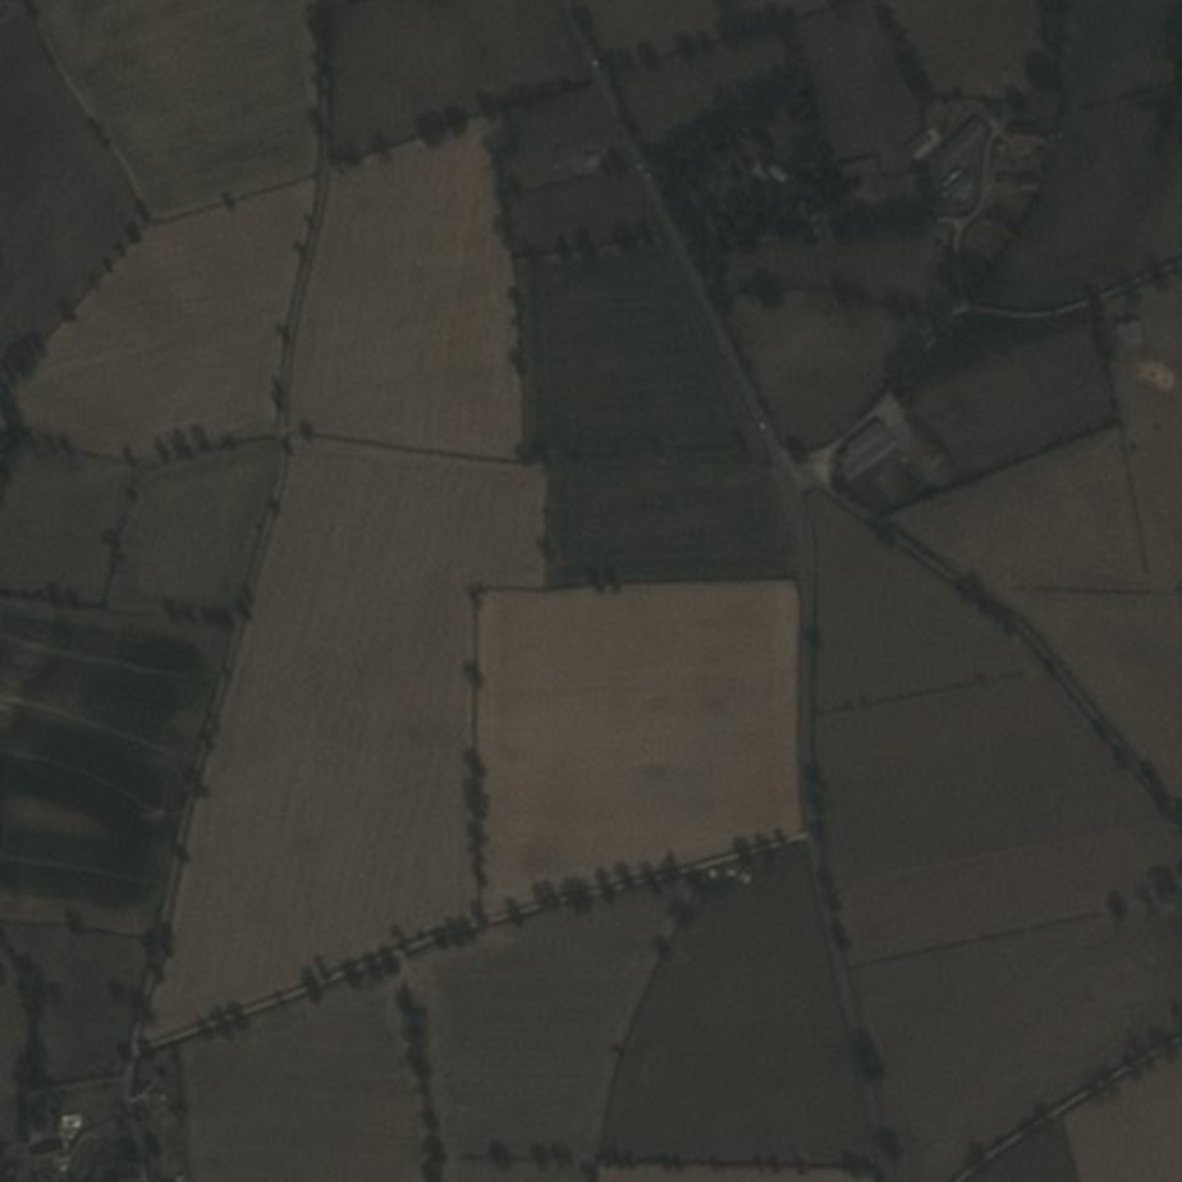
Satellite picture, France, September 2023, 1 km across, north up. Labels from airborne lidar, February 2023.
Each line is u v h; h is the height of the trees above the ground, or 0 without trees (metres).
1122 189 0
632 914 0
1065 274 0
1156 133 0
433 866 0
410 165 0
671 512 0
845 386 0
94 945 0
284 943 0
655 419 0
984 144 0
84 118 0
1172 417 0
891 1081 0
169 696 0
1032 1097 0
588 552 0
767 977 0
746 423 0
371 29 0
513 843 0
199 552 0
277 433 0
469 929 14
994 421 0
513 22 0
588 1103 0
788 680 0
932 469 0
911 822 0
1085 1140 0
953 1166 0
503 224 9
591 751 0
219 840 0
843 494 13
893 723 0
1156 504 0
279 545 0
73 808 0
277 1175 0
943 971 0
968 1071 0
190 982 0
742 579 0
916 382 0
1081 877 0
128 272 0
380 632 0
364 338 0
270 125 0
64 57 0
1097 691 0
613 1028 0
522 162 0
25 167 0
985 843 0
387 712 0
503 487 0
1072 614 0
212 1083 0
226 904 0
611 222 0
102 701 0
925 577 0
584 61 0
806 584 0
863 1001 0
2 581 0
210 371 0
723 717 0
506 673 0
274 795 0
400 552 0
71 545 0
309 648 0
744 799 0
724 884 0
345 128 0
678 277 0
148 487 0
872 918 0
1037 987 0
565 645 0
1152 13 0
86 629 0
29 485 0
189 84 0
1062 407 0
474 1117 0
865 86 0
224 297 0
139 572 0
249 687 0
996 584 0
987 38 0
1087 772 0
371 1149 0
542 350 0
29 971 18
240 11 0
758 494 0
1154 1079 0
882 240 0
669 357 0
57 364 0
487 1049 0
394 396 0
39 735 0
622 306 0
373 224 0
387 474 0
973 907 0
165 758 0
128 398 0
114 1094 0
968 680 0
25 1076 7
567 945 0
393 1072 0
